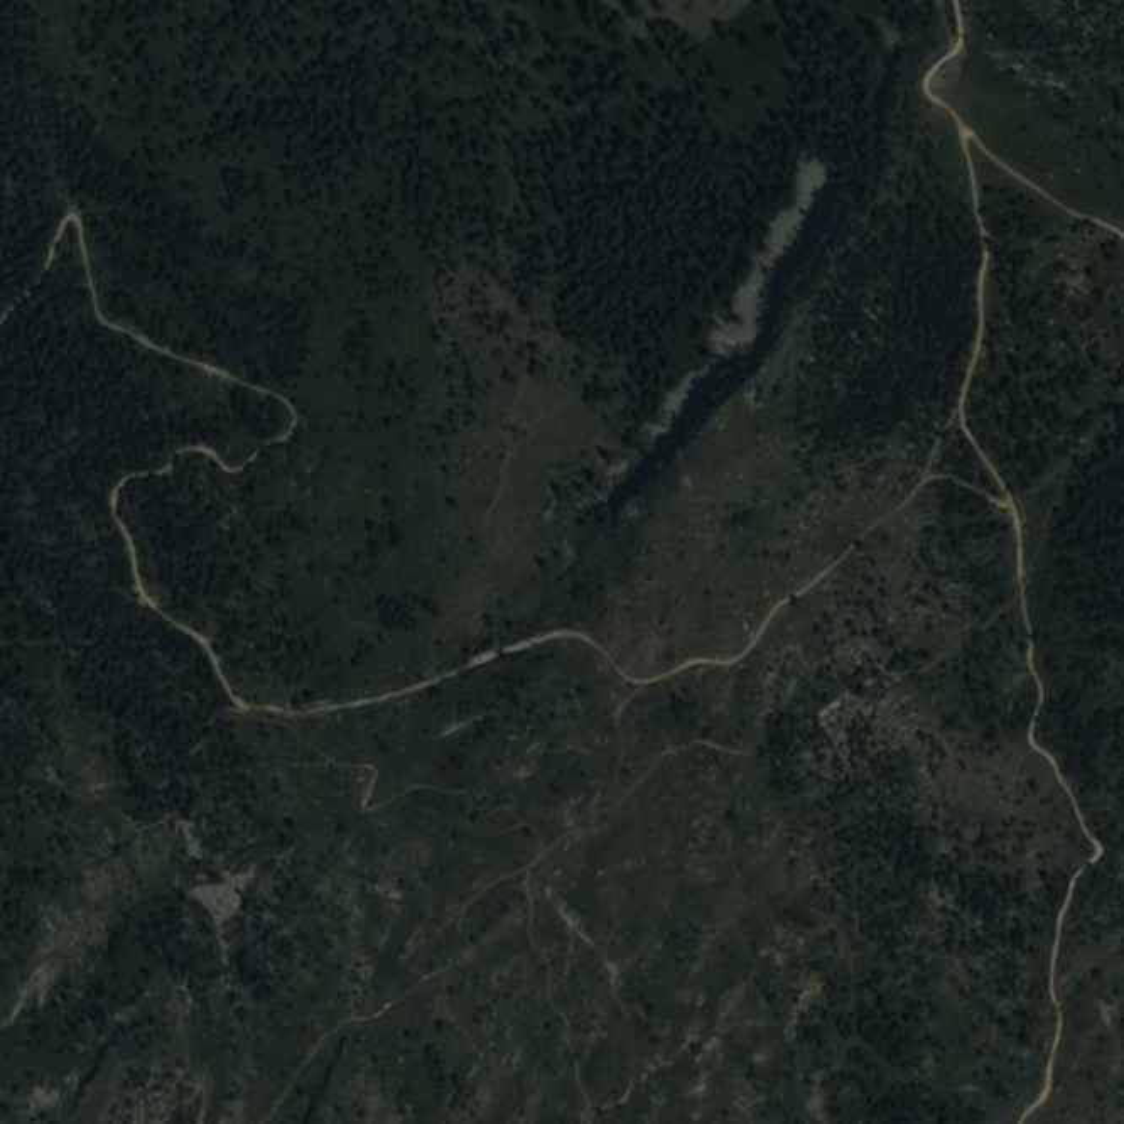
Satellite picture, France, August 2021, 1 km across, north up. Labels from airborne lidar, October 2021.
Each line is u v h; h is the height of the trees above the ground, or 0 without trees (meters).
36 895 0
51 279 11
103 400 12
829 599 0
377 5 13
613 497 0
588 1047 0
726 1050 0
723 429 0
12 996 0
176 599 9
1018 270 6
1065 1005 0
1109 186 0
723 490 0
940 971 0
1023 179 0
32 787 7
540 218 19
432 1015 0
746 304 0
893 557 0
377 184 0
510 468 0
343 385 0
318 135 10
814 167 0
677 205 14
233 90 7
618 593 0
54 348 16
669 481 0
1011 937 6
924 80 0
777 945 0
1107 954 0
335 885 0
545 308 0
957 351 7
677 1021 0
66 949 0
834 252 6
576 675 0
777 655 0
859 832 6
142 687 11
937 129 0
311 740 0
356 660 12
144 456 8
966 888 9
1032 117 0
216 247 7
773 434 0
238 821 0
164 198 9
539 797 0
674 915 0
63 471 8
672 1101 0
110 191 10
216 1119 0
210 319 7
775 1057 0
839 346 6
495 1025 0
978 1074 7
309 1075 0
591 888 0
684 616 0
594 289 17
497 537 0
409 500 0
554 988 0
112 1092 0
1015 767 0
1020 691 0
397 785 0
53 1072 0
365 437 0
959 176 0
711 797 0
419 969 0
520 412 0
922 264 6
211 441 10
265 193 9
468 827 0
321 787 0
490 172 6
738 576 0
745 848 0
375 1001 0
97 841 0
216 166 0
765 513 0
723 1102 0
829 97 6
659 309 12
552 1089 0
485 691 0
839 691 0
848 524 0
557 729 0
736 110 0
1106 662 6
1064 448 6
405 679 0
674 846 0
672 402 0
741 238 15
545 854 0
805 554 0
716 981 0
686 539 0
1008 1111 0
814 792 0
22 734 6
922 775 0
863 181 7
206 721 7
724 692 0
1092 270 15
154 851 0
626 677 0
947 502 5
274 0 11
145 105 7
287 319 7
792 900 0
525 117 0
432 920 0
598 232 17
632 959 0
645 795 0
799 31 21
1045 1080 0
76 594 6
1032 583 0
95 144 6
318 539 0
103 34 13
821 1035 9
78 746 0
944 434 11
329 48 12
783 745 7
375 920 0
